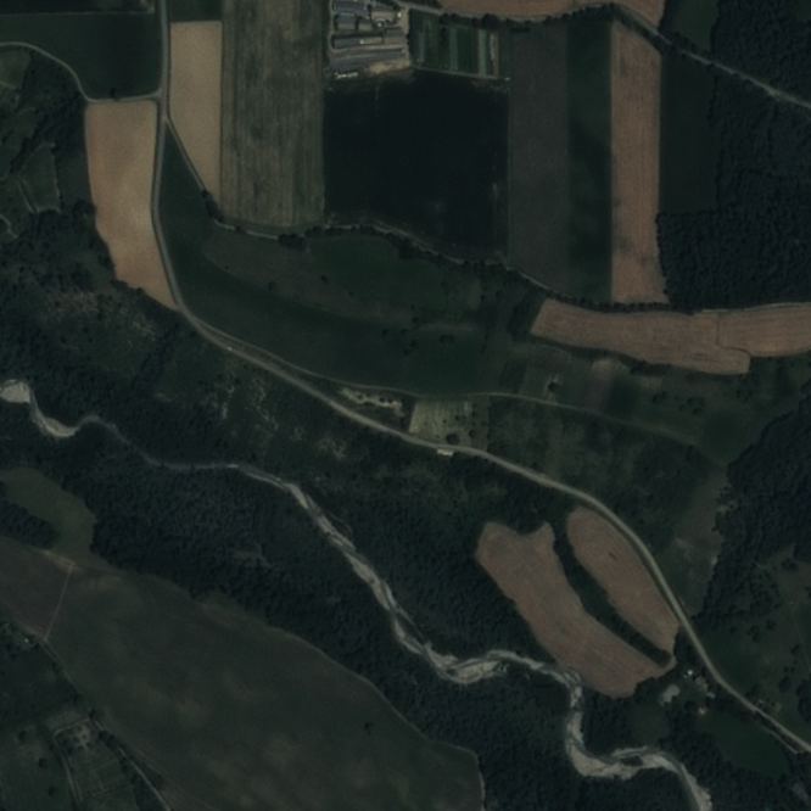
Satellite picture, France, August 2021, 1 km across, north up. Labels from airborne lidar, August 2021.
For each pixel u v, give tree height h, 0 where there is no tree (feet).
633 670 0
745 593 24
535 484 32
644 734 0
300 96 0
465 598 46
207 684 0
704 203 0
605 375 0
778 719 0
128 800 0
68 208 32
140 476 24
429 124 0
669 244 48
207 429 39
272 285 26
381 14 0
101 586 0
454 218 0
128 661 0
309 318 0
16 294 29
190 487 28
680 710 30
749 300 39
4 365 32
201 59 0
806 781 49
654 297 0
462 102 0
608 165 0
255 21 0
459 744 28
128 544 73
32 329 26
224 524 35
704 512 0
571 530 0
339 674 0
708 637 0
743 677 0
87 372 54
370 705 0
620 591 0
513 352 0
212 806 0
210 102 0
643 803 49
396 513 50
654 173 0
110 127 0
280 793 0
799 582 0
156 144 0
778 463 34
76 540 0
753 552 58
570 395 0
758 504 40
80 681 0
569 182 0
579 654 0
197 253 0
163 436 29
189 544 74
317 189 0
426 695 34
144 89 0
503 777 51
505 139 0
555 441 0
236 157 0
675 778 34
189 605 0
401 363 0
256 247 0
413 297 0
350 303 0
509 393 0
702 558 0
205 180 0
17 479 0
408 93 0
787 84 45
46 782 0
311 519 32
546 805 84
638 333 0
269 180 0
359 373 0
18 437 18
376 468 21
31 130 0
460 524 37
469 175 0
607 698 28
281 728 0
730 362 0
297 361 0
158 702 0
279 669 0
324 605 38
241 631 0
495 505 24
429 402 0
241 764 0
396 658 34
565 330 0
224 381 40
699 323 0
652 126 0
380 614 31
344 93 0
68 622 0
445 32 21
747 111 25
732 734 0
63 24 0
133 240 0
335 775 0
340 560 23
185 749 0
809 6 0
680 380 0
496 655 0
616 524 0
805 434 30
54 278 37
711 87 0
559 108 0
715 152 0
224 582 26
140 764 23
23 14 0
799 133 48
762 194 81
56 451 19
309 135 0
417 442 0
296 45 0
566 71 0
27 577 0
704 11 0
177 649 0
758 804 47
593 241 0
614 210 0
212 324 0
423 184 0
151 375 39
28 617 0
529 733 43
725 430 0
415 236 0
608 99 0
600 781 27
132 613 0
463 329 0
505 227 0
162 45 0
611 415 0
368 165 0
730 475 22
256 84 0
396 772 0
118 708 0
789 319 0
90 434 23
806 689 45
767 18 73
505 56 0
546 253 0
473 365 0
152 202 0
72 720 0
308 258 0
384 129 0
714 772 55
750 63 47
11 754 0
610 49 0
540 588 0
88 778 0
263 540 24
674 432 0
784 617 0
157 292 0
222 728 0
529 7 0
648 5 0
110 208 0
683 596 0
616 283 0
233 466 26
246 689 0
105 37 0
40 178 0
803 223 69
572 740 0
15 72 0
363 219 0
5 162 0
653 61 0
